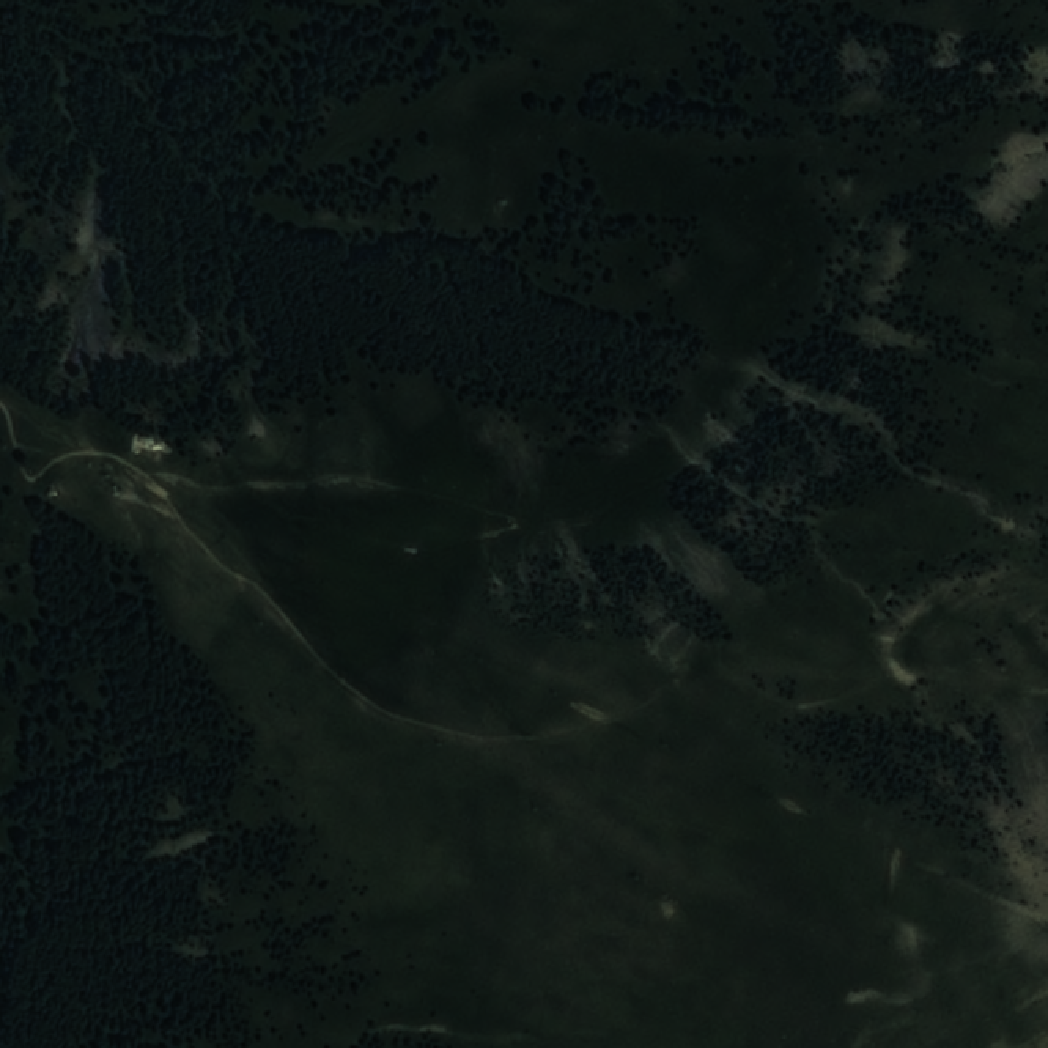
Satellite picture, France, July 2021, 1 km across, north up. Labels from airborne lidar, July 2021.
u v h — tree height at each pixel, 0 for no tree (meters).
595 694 0
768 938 0
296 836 6
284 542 0
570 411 11
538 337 22
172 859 10
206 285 21
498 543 0
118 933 20
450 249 20
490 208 0
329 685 0
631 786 0
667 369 14
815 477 7
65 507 0
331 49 21
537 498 0
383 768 0
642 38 0
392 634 0
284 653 0
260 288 23
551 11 0
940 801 8
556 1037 0
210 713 12
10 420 0
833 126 10
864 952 0
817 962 0
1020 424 0
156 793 14
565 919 0
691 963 0
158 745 10
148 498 0
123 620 18
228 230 21
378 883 0
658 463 0
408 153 0
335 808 0
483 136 0
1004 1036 0
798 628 0
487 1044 0
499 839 0
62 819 24
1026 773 0
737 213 0
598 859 0
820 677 0
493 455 0
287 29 0
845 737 8
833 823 0
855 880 0
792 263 0
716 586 0
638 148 0
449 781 0
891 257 0
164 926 15
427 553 0
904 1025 0
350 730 0
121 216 22
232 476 0
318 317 22
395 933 0
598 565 11
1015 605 0
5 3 7
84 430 0
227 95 21
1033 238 0
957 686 0
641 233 12
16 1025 24
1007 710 0
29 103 20
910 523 0
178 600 0
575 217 17
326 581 0
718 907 0
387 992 0
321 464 0
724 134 16
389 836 0
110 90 24
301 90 24
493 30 14
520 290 23
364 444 0
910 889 0
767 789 0
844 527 0
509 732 0
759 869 0
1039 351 0
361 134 0
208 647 0
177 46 25
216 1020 11
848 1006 0
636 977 0
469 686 0
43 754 20
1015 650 0
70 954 27
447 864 0
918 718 8
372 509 0
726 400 0
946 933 0
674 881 0
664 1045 0
